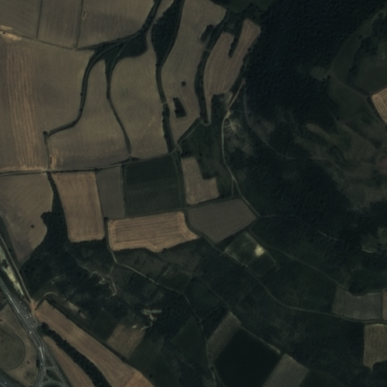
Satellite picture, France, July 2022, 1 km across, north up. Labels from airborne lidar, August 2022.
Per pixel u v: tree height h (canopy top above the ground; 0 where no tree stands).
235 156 6
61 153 0
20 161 0
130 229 0
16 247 0
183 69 0
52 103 0
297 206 15
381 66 0
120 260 0
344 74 0
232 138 0
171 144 7
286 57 8
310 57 12
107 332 0
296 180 8
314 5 10
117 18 0
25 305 0
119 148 0
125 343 0
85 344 0
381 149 0
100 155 0
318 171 7
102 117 0
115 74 0
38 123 0
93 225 0
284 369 0
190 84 0
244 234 0
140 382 0
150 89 0
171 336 9
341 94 0
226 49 0
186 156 9
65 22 0
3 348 0
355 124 0
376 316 0
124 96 0
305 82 9
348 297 0
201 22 0
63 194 0
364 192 0
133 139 0
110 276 0
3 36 0
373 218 10
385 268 8
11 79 0
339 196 8
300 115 7
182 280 0
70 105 0
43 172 0
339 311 0
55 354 0
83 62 0
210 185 0
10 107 0
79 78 0
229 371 0
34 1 0
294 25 14
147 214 0
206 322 8
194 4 0
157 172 0
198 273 0
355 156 0
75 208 0
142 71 0
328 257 5
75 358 15
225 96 0
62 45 0
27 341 0
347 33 7
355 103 0
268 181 14
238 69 0
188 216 0
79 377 0
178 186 0
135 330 0
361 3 11
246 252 0
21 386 0
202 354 0
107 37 0
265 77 15
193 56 0
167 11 11
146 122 0
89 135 0
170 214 0
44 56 0
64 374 0
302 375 0
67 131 0
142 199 0
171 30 14
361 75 0
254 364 0
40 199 0
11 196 0
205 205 0
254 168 8
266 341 7
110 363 0
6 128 0
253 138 7
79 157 0
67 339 0
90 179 0
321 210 14
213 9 0
